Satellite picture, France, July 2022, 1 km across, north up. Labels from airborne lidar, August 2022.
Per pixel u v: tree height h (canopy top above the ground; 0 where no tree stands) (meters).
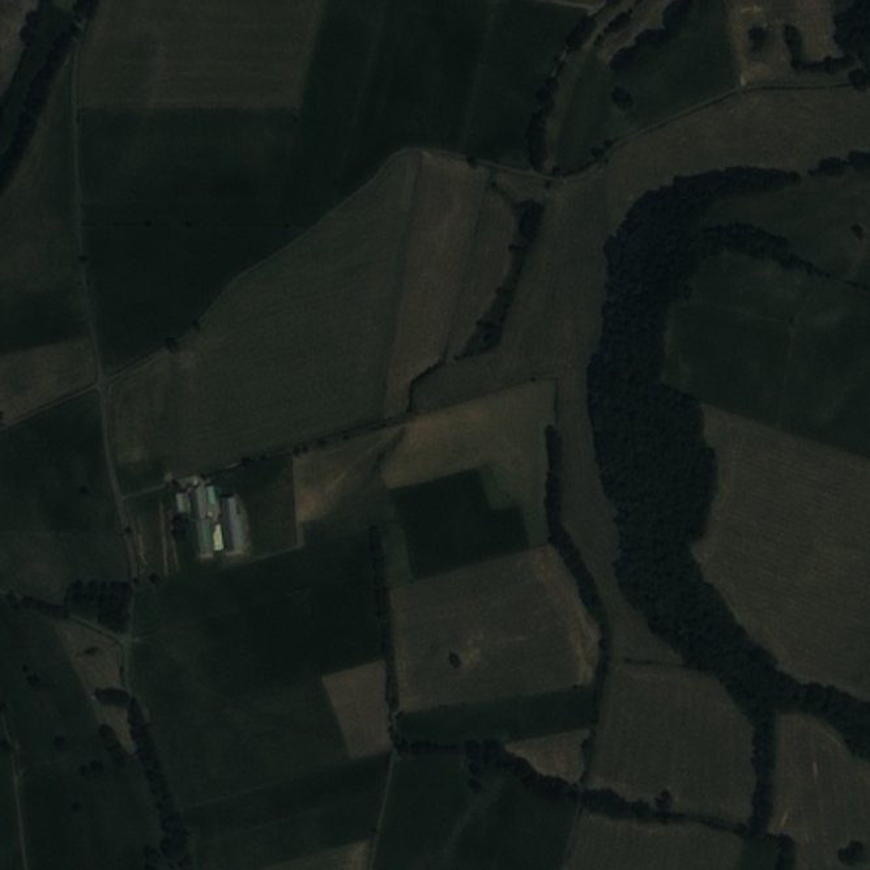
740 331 0
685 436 18
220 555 0
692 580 17
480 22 0
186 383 0
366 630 0
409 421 0
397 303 0
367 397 0
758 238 18
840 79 0
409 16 0
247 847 0
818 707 12
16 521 0
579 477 0
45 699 0
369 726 0
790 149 0
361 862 0
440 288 0
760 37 15
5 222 0
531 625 0
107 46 0
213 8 0
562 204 0
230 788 0
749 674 19
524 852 0
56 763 0
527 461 0
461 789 0
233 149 0
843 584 0
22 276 0
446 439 0
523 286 0
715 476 19
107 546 0
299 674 0
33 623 0
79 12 13
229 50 0
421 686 0
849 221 0
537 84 0
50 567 0
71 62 0
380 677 0
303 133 0
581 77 0
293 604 0
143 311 0
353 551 0
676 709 0
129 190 0
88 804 0
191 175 0
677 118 0
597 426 17
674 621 11
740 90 0
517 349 0
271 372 0
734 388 0
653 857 0
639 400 22
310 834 0
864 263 0
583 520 0
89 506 0
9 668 0
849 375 0
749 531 0
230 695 0
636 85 0
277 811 0
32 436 0
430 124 0
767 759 20
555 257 0
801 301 0
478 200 0
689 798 0
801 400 0
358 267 0
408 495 0
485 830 0
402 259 0
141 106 0
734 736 0
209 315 0
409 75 0
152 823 0
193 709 0
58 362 0
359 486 0
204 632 0
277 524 0
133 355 0
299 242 0
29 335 0
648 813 19
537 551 0
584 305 0
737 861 0
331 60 0
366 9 0
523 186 0
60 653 0
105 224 0
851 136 0
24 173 0
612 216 0
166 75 0
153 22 0
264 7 0
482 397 0
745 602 0
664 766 0
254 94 0
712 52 0
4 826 0
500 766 12
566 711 0
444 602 0
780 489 0
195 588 0
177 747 0
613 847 0
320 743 0
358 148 0
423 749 14
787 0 0
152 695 0
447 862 0
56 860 0
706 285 0
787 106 0
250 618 0
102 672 0
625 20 13
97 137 0
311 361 0
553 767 0
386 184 0
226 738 0
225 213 0
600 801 23
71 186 0
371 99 0
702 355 0
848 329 0
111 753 16
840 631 0
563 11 0
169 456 0
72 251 0
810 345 0
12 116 0
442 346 0
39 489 0
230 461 0
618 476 22
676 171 0
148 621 0
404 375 0
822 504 0
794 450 0
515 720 0
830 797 0
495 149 0
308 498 0
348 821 0
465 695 0
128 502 0
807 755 0
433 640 0
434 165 0
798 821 0
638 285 23
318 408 0
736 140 0
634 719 0
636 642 0
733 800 0
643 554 21
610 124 0
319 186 0
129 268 0
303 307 0
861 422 0
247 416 0
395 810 0
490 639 0
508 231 0
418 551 0
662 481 17
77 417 0
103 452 0
